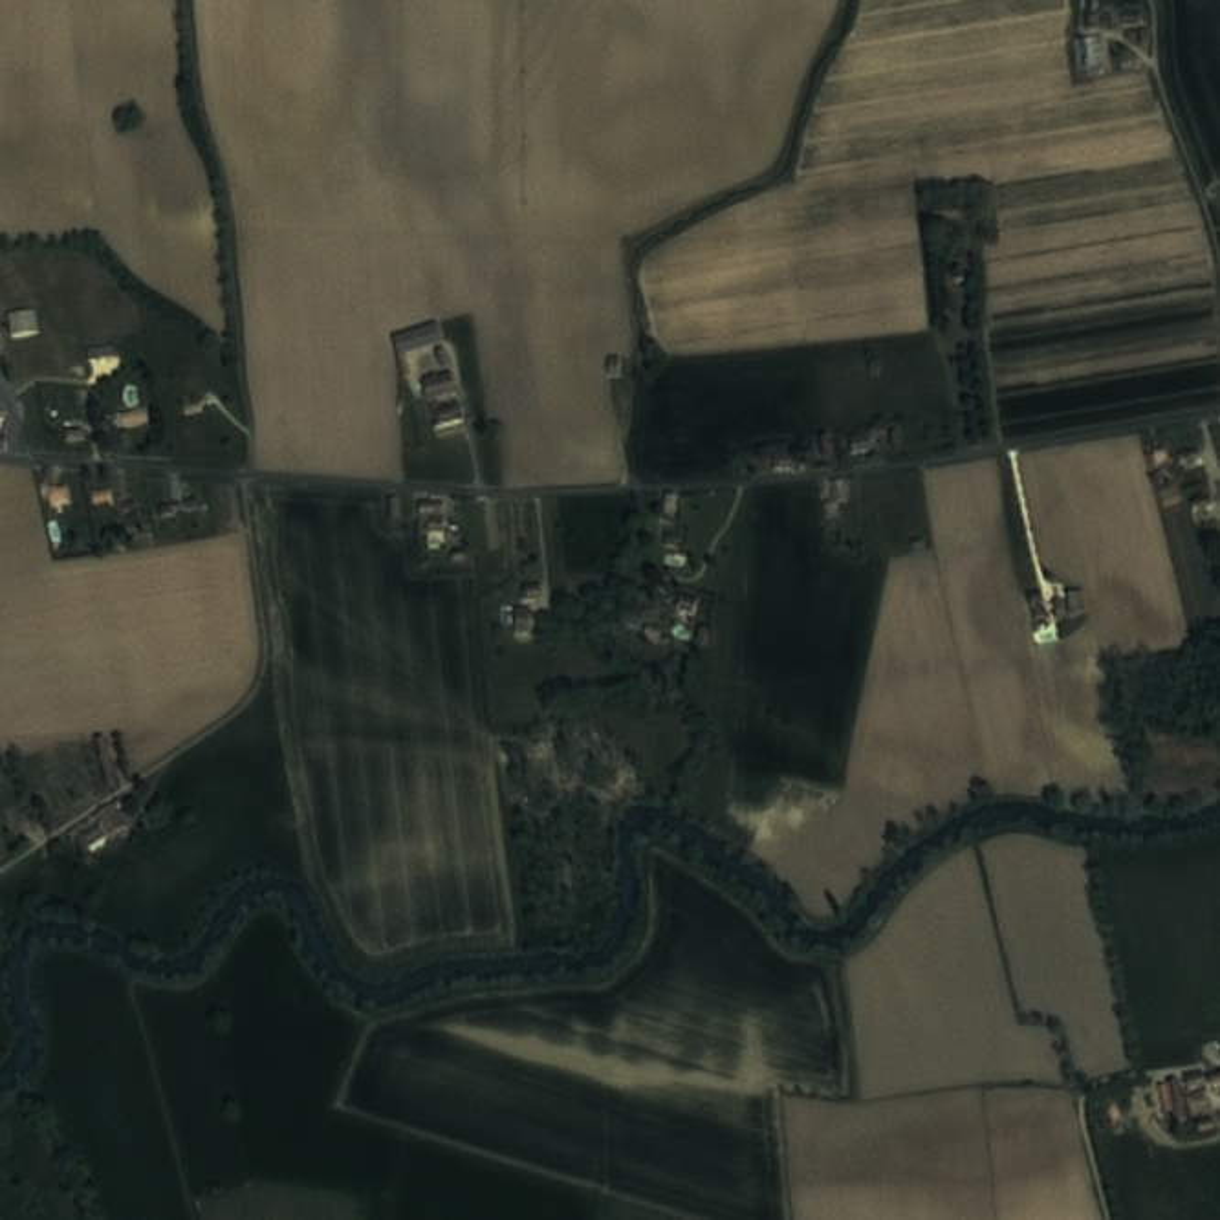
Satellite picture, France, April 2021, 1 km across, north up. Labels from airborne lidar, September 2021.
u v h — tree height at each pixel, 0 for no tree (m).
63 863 6
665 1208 0
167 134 0
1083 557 0
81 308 0
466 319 0
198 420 0
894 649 0
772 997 0
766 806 0
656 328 0
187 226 0
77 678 0
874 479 0
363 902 0
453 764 0
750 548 0
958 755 0
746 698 0
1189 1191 0
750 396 0
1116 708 13
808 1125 0
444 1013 0
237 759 0
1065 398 0
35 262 0
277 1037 0
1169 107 0
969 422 12
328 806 0
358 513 0
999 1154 0
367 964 0
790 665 0
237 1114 13
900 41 0
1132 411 0
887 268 0
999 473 0
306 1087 0
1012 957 0
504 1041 0
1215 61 0
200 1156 0
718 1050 0
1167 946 0
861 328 0
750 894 11
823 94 0
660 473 0
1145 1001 0
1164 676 15
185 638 0
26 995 8
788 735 0
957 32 0
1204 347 0
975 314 10
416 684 0
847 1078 0
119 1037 0
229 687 0
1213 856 0
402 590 0
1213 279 0
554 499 0
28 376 0
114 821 0
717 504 0
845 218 0
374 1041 0
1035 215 0
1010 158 0
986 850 0
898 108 0
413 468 0
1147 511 0
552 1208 0
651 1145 0
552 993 0
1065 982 0
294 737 0
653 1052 0
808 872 0
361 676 0
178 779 0
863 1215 0
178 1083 0
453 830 0
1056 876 0
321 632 0
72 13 0
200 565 0
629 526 12
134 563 0
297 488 0
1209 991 0
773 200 0
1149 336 0
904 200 0
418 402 0
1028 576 0
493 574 0
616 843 18
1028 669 0
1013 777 0
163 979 7
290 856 0
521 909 0
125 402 0
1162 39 0
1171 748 0
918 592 0
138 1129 0
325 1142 0
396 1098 0
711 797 0
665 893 0
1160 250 0
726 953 0
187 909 0
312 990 0
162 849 0
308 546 0
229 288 15
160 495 0
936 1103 0
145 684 0
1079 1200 0
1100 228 0
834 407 0
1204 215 0
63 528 0
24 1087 14
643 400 0
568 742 17
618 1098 0
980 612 0
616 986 0
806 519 0
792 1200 0
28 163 0
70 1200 16
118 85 0
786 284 0
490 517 0
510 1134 0
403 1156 0
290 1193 0
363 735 0
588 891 15
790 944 14
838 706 0
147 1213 0
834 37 0
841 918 29
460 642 0
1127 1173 0
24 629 0
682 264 0
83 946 9
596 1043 0
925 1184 0
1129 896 0
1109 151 0
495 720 0
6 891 0
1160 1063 0
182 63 8
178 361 0
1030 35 0
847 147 0
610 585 9
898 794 0
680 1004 0
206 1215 0
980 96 0
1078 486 0
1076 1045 0
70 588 0
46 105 0
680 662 8
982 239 6
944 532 0
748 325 0
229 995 0
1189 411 0
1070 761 0
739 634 0
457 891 0
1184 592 0
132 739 0
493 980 11
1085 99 0
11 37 0
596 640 21
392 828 0
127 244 0
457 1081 0
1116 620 0
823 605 0
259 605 0
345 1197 0
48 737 0
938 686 0
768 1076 0
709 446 0
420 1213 0
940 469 0
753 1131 0
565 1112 0
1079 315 0
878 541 0
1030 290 0
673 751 0
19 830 0
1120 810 24
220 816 0
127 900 0
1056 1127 0
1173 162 0
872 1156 0
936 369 0
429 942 0
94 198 0
